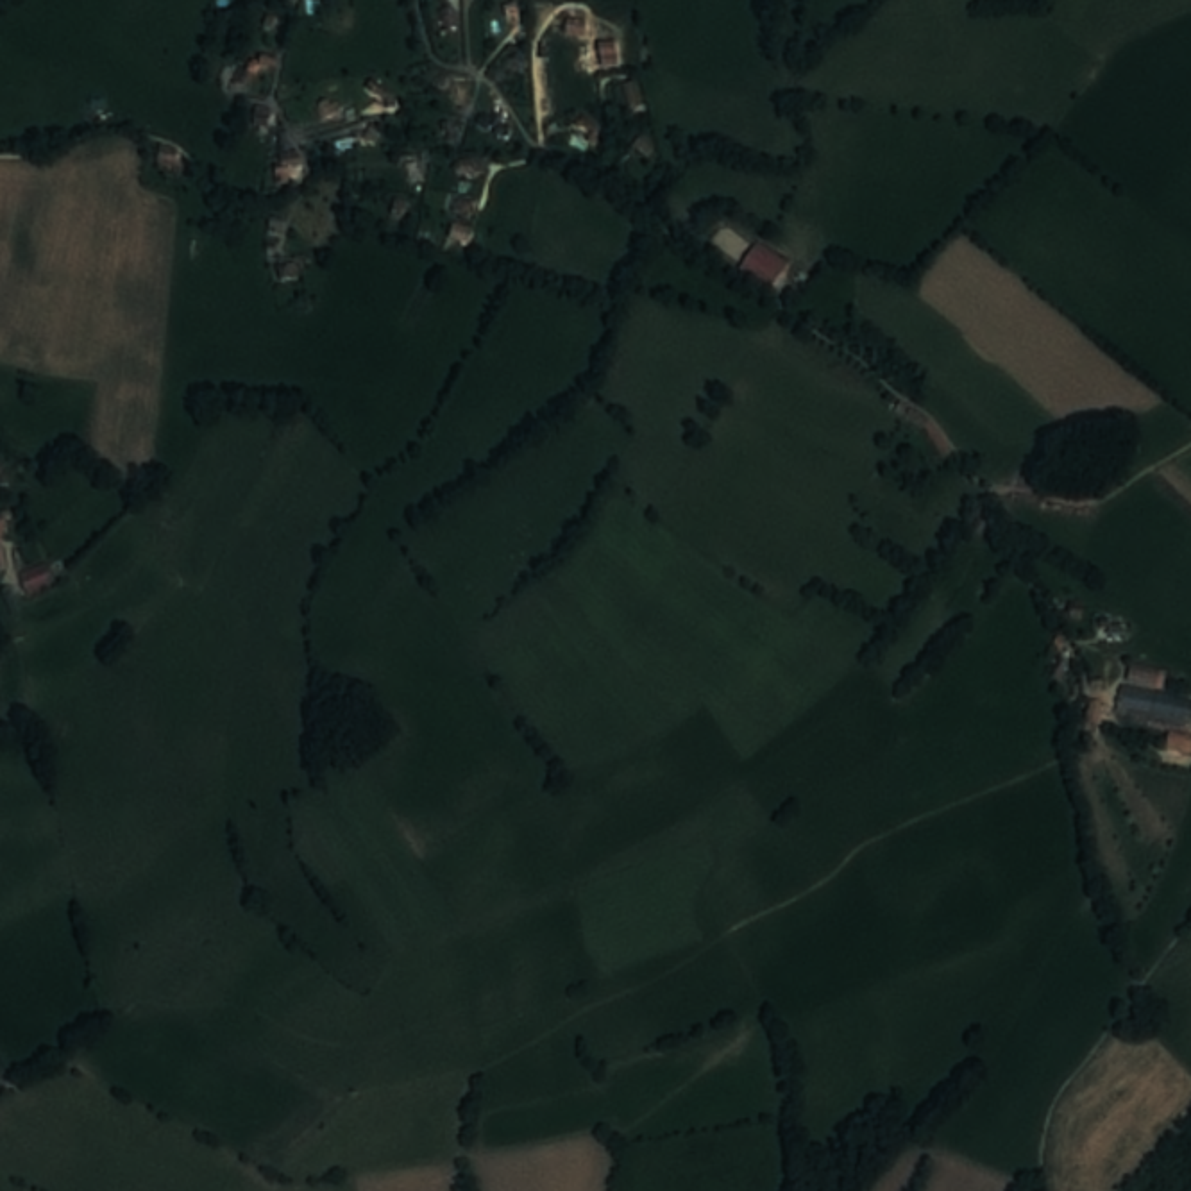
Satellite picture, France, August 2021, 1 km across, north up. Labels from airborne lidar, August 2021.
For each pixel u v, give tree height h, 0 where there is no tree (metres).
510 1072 0
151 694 0
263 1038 0
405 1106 0
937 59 0
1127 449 25
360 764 11
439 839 0
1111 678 0
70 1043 19
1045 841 0
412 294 0
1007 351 0
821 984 0
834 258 18
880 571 0
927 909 0
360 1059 0
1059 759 10
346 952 0
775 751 0
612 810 0
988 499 13
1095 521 0
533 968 0
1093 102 0
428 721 0
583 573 0
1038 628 0
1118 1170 0
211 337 0
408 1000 0
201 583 0
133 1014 0
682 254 15
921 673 17
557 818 0
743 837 0
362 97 0
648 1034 0
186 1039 0
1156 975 0
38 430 0
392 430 0
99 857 0
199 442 0
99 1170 0
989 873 0
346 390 0
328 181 8
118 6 0
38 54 0
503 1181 0
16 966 0
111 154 0
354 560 0
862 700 0
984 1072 22
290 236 7
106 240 0
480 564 0
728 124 0
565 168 14
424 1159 0
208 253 0
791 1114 16
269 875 0
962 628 19
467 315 0
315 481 0
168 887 0
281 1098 0
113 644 16
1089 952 0
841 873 0
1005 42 0
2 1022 0
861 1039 0
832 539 0
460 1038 0
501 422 0
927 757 0
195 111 0
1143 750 8
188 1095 0
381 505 0
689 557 0
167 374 0
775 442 0
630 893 0
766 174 17
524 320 0
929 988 0
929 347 0
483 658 0
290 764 0
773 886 0
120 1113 0
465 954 0
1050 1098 0
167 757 0
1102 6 0
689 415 0
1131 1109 0
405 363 0
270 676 0
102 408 0
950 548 20
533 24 10
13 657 0
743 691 0
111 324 0
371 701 20
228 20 13
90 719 0
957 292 0
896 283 17
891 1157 16
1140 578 0
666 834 0
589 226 0
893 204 0
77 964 0
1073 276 0
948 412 0
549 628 0
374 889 0
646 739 0
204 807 0
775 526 0
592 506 11
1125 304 0
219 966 0
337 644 0
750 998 0
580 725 0
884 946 0
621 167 8
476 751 0
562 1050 0
